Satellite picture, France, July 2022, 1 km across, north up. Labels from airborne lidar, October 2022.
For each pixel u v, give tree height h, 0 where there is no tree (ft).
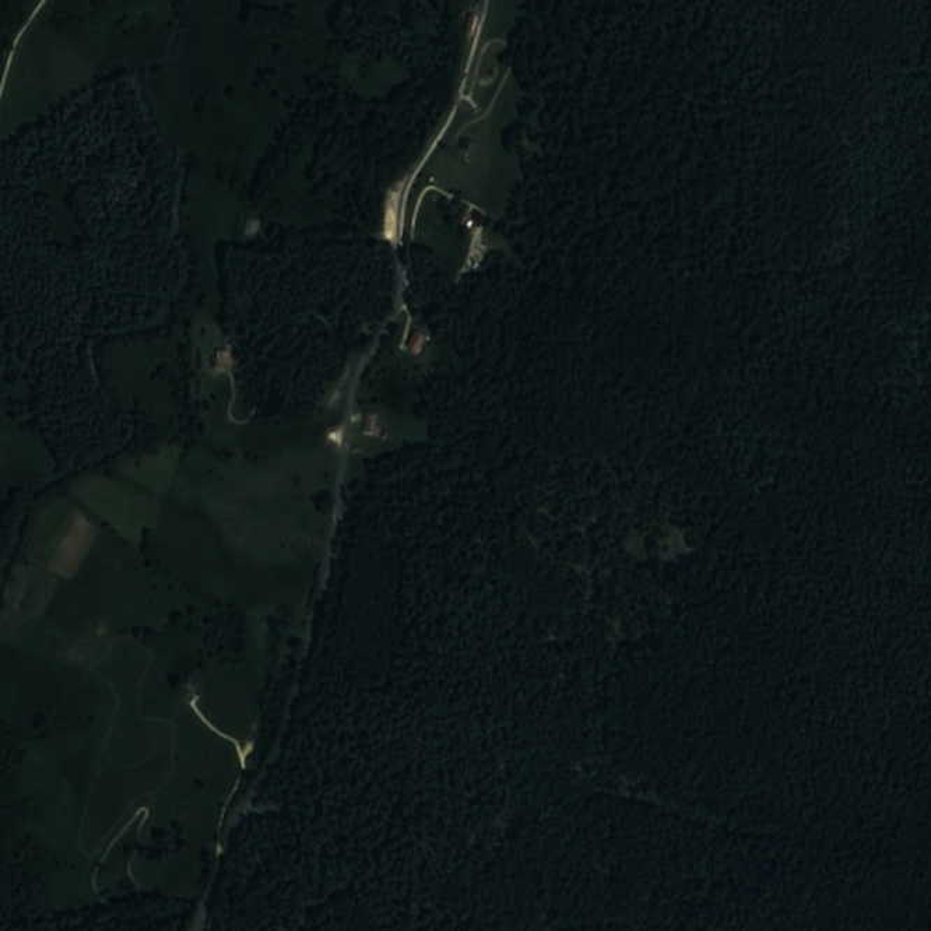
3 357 84
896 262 46
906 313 42
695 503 76
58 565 0
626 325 66
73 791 0
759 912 58
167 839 80
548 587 47
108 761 0
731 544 86
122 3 0
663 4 55
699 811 46
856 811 69
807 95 70
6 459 0
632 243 66
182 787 0
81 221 42
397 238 0
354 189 24
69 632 0
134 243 69
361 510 78
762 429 76
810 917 61
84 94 48
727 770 44
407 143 71
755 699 71
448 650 88
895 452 81
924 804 56
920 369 53
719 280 53
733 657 89
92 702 0
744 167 55
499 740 67
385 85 0
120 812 0
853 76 56
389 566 70
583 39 21
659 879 48
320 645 43
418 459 87
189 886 0
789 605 85
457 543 93
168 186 88
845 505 63
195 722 0
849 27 43
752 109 61
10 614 0
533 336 88
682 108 61
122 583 0
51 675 0
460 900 75
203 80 0
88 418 92
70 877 0
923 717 78
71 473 36
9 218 96
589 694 78
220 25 0
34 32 0
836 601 92
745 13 84
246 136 0
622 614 78
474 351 79
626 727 84
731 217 78
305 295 94
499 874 56
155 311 97
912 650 96
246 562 0
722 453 72
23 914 24
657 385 52
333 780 82
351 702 95
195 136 0
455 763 63
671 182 57
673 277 52
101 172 85
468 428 67
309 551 0
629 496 72
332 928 79
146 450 31
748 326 70
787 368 43
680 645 88
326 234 49
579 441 73
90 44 0
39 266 103
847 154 65
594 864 47
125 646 0
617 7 55
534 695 71
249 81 0
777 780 61
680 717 80
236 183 31
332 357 96
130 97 91
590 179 81
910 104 67
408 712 65
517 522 72
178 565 0
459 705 86
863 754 64
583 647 77
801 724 76
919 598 80
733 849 50
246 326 80
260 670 0
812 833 84
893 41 56
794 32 72
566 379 82
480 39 0
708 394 58
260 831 76
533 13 60
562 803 71
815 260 75
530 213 54
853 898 73
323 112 52
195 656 0
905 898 49
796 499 81
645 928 36
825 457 68
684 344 69
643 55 27
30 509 49
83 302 54
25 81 0
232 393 0
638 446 68
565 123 41
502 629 60
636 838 63
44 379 83
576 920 47
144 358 0
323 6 0
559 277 49
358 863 75
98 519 0
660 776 66
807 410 68
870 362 61
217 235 0
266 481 0
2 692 0
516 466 100
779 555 105
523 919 58
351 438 0
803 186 67
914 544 57
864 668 73
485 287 76
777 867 67
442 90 81
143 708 0
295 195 0
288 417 79
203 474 0
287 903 70
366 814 92
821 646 67
